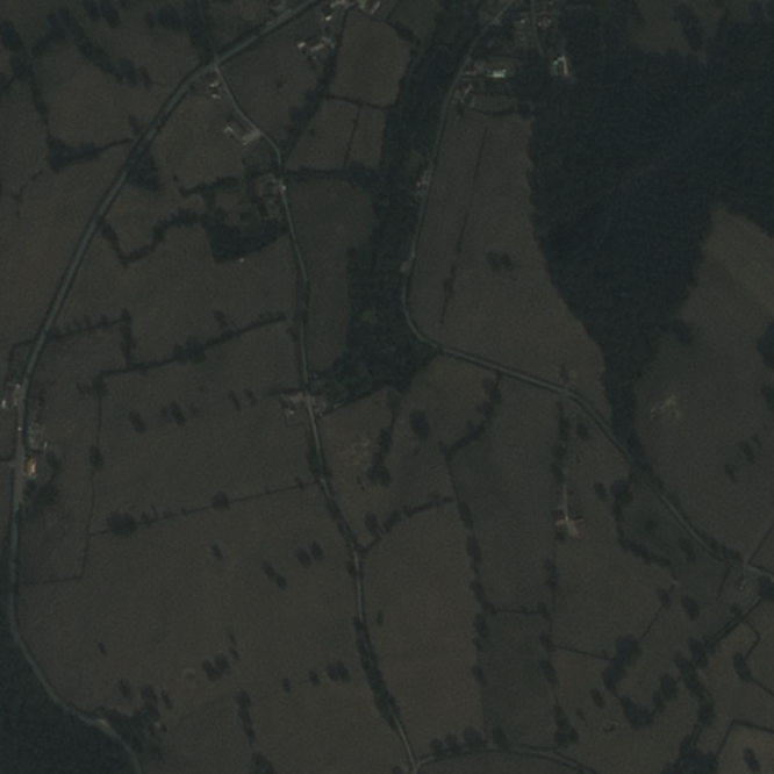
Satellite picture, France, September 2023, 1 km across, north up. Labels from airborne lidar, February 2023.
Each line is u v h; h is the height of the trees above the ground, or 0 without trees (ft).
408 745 0
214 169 0
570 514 0
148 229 0
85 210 0
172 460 0
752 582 0
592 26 62
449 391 0
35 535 0
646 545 0
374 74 0
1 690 18
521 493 0
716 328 0
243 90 0
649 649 0
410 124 47
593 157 67
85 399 0
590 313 53
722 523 0
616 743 0
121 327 0
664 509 0
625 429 61
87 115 0
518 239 0
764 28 68
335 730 0
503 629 0
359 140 0
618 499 48
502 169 0
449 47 21
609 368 40
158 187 26
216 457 0
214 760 0
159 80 0
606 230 36
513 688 0
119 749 67
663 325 45
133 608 0
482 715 0
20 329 0
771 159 61
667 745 0
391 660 0
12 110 0
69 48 0
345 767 0
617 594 0
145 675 0
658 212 72
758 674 0
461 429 0
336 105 0
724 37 26
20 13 0
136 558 0
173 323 0
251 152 0
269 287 0
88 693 0
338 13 0
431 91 62
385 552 0
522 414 0
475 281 0
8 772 47
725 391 0
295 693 0
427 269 0
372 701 0
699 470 0
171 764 0
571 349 0
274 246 0
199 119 0
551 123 52
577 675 0
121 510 0
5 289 0
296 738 0
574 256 85
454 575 0
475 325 0
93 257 0
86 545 0
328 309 0
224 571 0
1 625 29
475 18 33
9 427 0
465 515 48
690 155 68
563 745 35
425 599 0
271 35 0
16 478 0
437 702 0
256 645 0
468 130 0
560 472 50
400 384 21
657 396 0
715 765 38
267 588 0
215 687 0
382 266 21
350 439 0
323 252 0
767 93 61
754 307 0
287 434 0
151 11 0
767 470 0
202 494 0
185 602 0
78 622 0
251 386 0
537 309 0
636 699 0
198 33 47
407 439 0
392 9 0
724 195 43
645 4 0
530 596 0
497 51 21
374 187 26
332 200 0
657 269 66
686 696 0
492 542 0
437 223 0
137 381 0
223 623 0
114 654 0
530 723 0
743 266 0
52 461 50
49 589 0
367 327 23
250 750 0
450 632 0
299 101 0
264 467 0
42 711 48
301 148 0
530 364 0
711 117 0
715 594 0
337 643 0
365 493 0
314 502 0
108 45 0
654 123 54
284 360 0
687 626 0
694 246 43
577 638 0
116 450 0
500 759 0
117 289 0
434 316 0
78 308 0
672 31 0
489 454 0
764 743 0
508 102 0
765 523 0
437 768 0
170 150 0
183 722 0
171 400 0
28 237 0
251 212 0
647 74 50
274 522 0
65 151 35
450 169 0
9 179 0
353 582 0
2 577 41
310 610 0
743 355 0
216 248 22
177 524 0
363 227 0
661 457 0
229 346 0
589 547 0
